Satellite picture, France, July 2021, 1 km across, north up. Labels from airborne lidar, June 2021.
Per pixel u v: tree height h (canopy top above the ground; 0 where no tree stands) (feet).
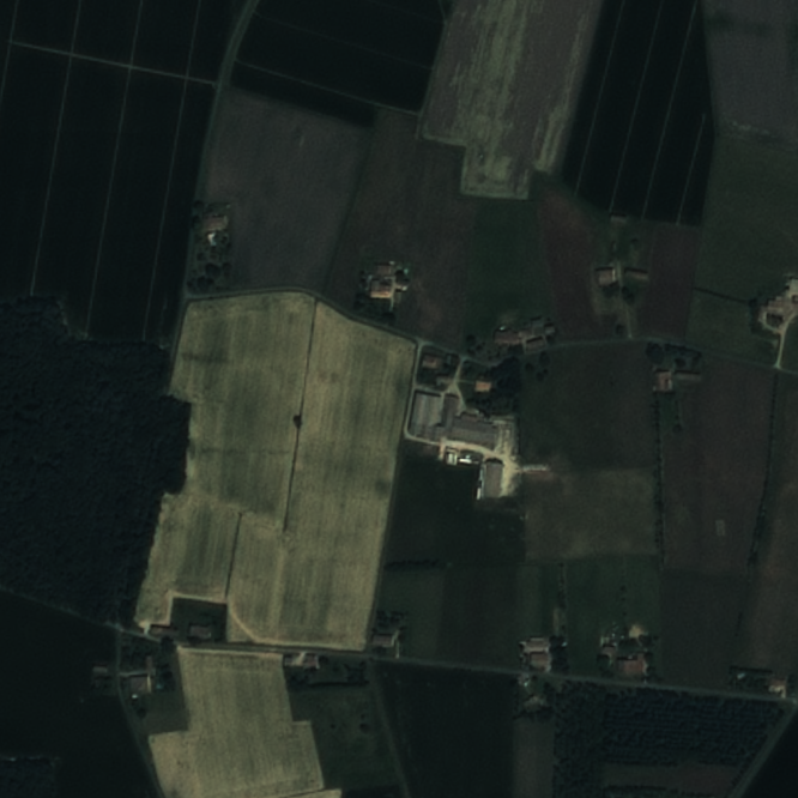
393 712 0
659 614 0
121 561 63
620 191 0
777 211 0
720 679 0
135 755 0
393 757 0
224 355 0
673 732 47
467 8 0
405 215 0
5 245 0
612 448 0
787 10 0
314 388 0
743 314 0
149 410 65
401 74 0
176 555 0
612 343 0
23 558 51
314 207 0
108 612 59
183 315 0
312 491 0
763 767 0
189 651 0
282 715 0
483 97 0
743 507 0
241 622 0
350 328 0
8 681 0
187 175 0
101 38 0
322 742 0
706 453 0
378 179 0
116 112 0
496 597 0
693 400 0
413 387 0
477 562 0
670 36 0
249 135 0
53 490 83
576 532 0
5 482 67
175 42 0
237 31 0
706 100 0
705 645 0
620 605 0
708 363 0
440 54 0
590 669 0
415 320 0
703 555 0
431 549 0
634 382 0
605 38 0
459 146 0
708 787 0
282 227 0
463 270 0
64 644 0
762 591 0
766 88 0
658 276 0
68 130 0
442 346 0
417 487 0
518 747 0
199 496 0
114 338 0
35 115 0
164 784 0
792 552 0
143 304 0
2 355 78
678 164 0
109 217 0
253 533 0
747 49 0
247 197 0
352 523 0
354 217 0
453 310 0
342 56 0
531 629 0
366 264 0
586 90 0
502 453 0
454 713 0
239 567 0
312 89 0
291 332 0
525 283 0
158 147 0
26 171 0
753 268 0
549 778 0
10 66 0
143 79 0
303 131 0
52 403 73
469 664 0
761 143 0
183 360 0
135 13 0
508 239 0
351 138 0
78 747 0
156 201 0
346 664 0
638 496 0
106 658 0
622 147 0
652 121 0
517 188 0
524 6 0
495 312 0
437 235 0
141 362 69
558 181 0
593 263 0
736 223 0
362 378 0
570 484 0
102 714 0
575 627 0
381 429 0
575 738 54
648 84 0
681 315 0
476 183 0
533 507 0
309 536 0
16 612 0
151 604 0
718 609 0
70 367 76
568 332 0
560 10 0
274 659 0
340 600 0
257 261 0
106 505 75
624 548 0
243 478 0
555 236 0
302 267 0
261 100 0
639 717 58
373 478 0
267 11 0
